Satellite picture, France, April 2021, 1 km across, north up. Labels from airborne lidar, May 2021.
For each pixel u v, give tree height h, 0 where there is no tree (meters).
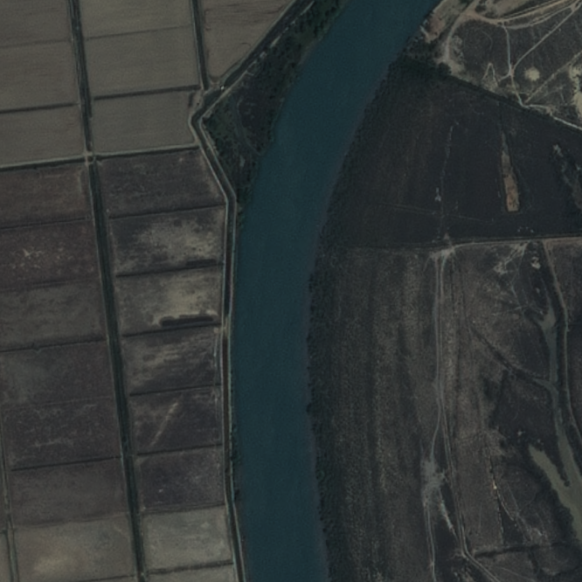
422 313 0
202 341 0
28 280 0
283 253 0
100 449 0
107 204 0
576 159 0
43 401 0
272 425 0
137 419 0
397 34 0
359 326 0
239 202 8
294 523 0
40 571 0
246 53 0
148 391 0
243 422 0
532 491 0
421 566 0
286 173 0
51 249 0
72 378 0
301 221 0
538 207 0
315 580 0
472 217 0
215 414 0
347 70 0
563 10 0
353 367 0
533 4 0
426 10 0
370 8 0
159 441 0
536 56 0
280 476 0
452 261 0
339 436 0
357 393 0
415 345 0
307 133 0
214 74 0
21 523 0
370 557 0
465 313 0
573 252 0
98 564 0
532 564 0
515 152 0
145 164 0
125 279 0
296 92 0
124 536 0
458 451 0
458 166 0
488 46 0
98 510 0
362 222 0
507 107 0
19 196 0
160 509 0
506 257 0
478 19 0
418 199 0
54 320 0
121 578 0
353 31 0
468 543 0
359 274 0
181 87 0
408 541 0
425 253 0
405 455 0
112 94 0
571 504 0
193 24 0
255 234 0
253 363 0
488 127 0
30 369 0
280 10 0
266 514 0
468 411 0
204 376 0
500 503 0
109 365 0
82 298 0
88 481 0
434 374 0
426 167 0
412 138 0
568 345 0
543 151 0
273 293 0
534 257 0
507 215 0
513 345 0
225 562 0
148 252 0
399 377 0
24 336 0
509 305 0
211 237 0
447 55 0
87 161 0
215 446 0
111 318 0
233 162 0
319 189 0
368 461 0
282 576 0
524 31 0
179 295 0
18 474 0
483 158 0
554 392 0
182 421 0
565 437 0
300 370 0
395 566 0
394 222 0
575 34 0
